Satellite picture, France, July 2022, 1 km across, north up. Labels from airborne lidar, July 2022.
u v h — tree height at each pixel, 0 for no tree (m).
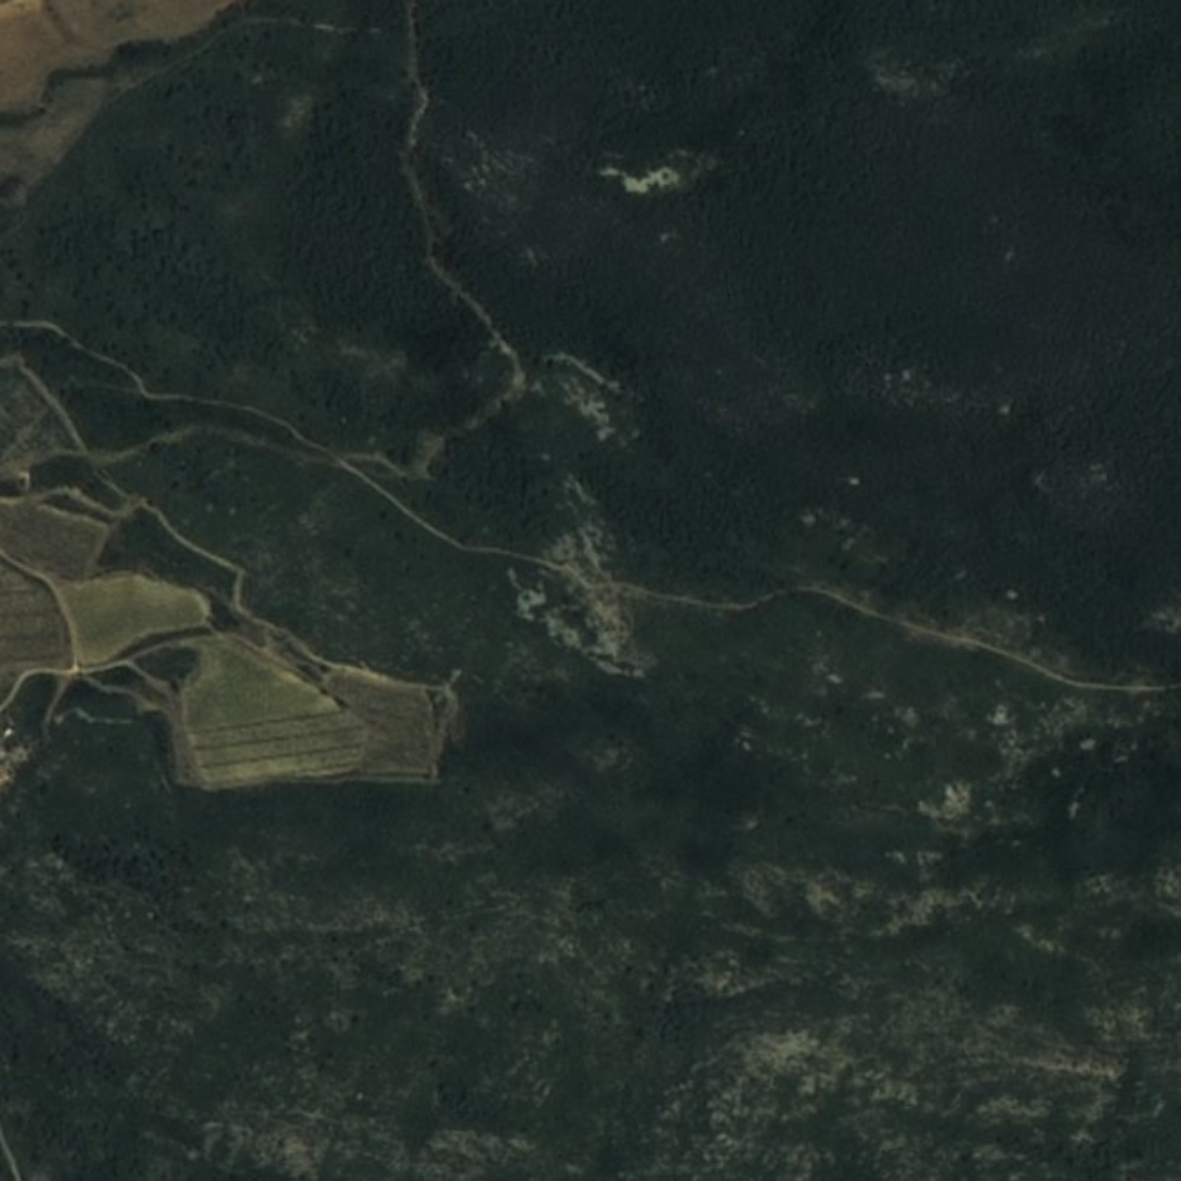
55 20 0
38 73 0
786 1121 0
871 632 0
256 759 0
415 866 0
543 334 9
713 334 5
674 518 10
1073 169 8
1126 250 7
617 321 7
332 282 7
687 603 0
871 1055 0
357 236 9
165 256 11
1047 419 7
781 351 7
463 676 0
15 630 0
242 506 6
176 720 0
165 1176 7
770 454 6
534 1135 0
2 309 0
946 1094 0
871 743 0
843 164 8
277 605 0
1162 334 11
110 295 7
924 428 6
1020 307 6
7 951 0
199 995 0
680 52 6
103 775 0
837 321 8
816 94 9
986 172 6
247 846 0
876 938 0
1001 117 6
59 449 0
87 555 0
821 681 0
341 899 0
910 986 0
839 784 0
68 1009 9
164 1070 0
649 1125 0
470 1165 0
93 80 0
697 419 7
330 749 0
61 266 7
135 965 0
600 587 0
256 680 0
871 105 6
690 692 0
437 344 10
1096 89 8
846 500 6
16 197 0
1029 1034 0
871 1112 0
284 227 6
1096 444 10
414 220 8
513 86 7
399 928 0
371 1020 0
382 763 0
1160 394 11
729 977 0
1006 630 0
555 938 0
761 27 8
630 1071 0
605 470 6
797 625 0
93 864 10
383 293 10
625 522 7
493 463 7
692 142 8
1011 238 7
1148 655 9
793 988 0
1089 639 7
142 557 0
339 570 0
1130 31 9
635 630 0
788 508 8
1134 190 6
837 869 0
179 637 0
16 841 0
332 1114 0
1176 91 6
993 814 0
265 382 0
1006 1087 0
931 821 0
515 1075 0
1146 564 6
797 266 9
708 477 5
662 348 9
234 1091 0
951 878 6
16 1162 0
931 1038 0
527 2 9
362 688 0
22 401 0
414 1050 0
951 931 0
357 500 0
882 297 7
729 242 9
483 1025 0
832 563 6
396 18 8
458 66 9
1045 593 7
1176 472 7
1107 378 10
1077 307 6
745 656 0
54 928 0
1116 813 9
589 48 8
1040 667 0
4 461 0
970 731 0
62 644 0
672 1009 7
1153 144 6
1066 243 6
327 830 0
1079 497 6
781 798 0
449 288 9
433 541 0
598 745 0
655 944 7
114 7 0
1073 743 9
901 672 0
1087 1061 0
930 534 6
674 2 9
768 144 6
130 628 0
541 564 0
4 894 0
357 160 13
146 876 8
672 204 6
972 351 7
